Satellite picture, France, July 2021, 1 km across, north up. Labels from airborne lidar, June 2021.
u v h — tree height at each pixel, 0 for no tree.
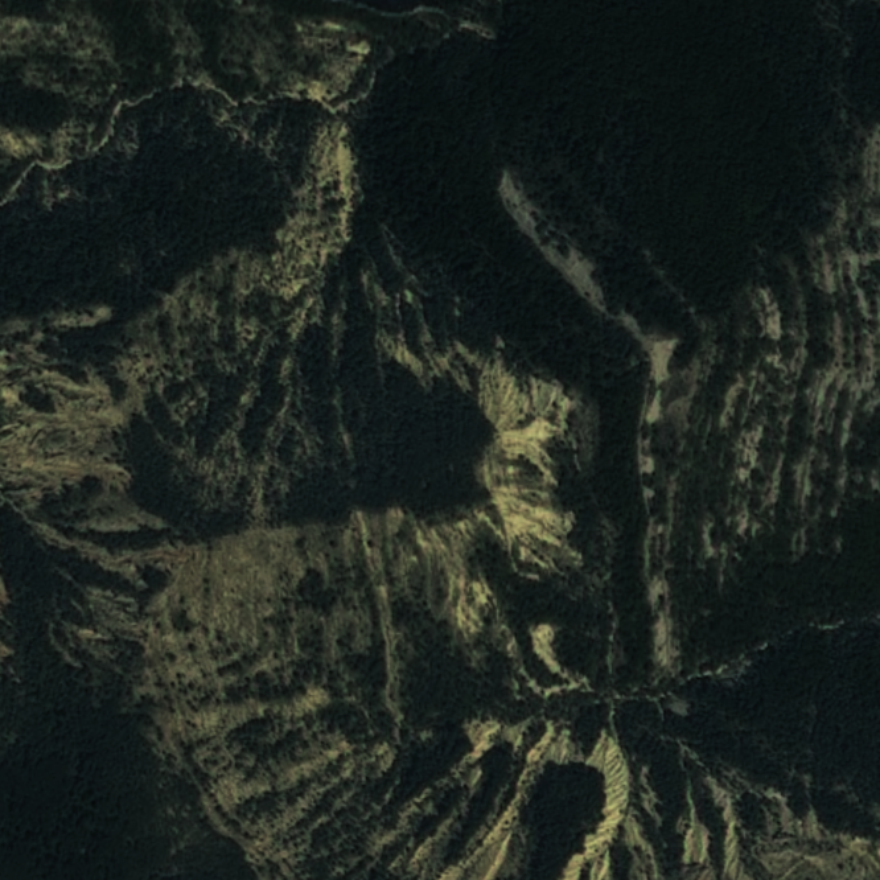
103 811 15
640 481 9
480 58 15
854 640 8
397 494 10
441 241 11
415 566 0
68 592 10
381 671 7
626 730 11
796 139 16
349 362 8
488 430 10
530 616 7
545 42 22
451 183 15
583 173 8
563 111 21
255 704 0
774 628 10
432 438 10
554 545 0
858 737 12
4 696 8
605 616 10
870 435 6
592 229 7
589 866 7
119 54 7
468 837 8
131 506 0
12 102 10
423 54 20
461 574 0
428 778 13
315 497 6
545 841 11
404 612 9
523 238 8
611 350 7
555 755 0
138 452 8
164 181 8
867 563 8
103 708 6
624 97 8
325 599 7
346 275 10
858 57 8
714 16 18
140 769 9
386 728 8
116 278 6
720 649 8
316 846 9
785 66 8
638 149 8
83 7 6
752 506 10
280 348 11
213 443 6
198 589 0
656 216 14
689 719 7
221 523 6
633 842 0
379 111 10
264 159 8
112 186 10
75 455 0
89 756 10
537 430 0
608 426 10
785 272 5
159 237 6
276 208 8
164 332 8
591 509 8
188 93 15
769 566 10
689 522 6
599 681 8
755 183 12
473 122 16
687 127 21
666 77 21
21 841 18
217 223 14
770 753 7
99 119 7
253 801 8
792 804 8
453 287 8
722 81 21
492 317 15
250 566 0
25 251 10
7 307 10
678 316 10
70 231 11
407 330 8
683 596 6
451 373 7
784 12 11
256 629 0
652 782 7
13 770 17
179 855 7
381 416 8
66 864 20
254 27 6
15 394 0
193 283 7
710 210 14
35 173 9
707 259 13
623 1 17
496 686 8
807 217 10
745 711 14
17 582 9
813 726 9
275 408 6
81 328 7
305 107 9
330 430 10
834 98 10
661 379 0
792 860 0
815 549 8
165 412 9
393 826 6
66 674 10
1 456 0
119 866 17
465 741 9
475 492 10
